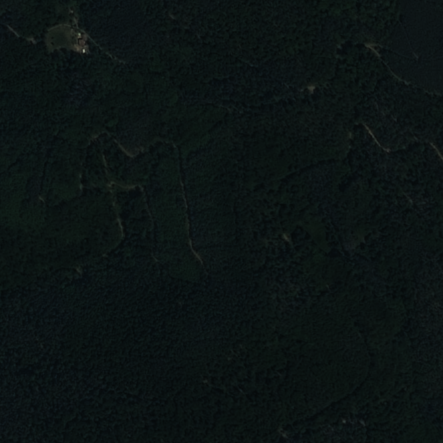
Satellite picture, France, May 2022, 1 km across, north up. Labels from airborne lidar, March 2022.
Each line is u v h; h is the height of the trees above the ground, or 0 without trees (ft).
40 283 101
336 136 74
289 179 76
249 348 34
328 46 87
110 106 69
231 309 50
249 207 62
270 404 77
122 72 77
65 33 0
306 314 57
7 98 65
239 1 56
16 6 78
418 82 50
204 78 78
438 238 68
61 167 88
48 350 92
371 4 94
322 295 81
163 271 87
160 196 68
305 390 77
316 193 87
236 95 78
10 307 120
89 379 101
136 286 82
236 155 62
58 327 79
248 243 31
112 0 91
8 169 49
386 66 69
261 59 87
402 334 72
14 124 87
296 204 101
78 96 79
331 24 85
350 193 73
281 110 80
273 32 78
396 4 66
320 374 65
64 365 99
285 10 72
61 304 86
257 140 81
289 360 60
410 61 40
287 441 45
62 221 55
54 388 94
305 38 86
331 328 74
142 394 88
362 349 65
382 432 68
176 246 61
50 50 0
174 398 68
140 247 79
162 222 64
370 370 70
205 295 83
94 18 84
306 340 77
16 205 43
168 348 73
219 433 82
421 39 53
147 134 60
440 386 84
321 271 48
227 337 45
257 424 75
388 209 101
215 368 57
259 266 27
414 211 81
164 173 83
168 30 86
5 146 59
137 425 71
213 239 49
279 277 99
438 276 77
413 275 44
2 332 77
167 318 84
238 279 66
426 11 52
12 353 91
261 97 83
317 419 77
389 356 76
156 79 76
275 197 87
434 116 57
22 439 74
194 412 88
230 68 90
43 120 79
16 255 64
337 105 44
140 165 102
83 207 65
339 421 72
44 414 94
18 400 95
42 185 71
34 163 70
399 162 101
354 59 86
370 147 110
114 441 74
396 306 70
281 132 30
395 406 64
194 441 78
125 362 76
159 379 74
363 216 61
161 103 64
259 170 78
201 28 81
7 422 81
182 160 73
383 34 66
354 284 75
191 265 54
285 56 69
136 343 72
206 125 51
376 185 106
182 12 87
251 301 63
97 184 91
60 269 77
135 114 65
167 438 78
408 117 94
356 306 78
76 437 85
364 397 59
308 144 38
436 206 87
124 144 67
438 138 78
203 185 46
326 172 76
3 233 59
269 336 68
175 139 85
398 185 104
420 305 73
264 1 62
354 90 88
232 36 93
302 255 35
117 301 68
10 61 59
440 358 75
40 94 77
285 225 63
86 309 63
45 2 56
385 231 67
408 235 56
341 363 73
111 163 60
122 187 0
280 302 77
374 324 72
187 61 70
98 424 81
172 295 75
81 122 94
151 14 80
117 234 58
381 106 83
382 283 57
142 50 65
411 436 58
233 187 80
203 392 72
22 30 52
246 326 59
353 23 90
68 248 62
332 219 82
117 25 87
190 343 52
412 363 94
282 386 88
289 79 102
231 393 44
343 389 52
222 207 65
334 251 74
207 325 73
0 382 109
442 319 63
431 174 81
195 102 87
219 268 58
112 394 101
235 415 94
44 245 43
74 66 73
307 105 89
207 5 77
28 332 87
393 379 72
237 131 61
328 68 69
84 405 97
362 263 84
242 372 96
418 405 94
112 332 72
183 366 65
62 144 87
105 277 89
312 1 83
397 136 82
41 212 49
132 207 87
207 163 59
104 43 62
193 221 56
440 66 52
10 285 75
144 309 76
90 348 65
